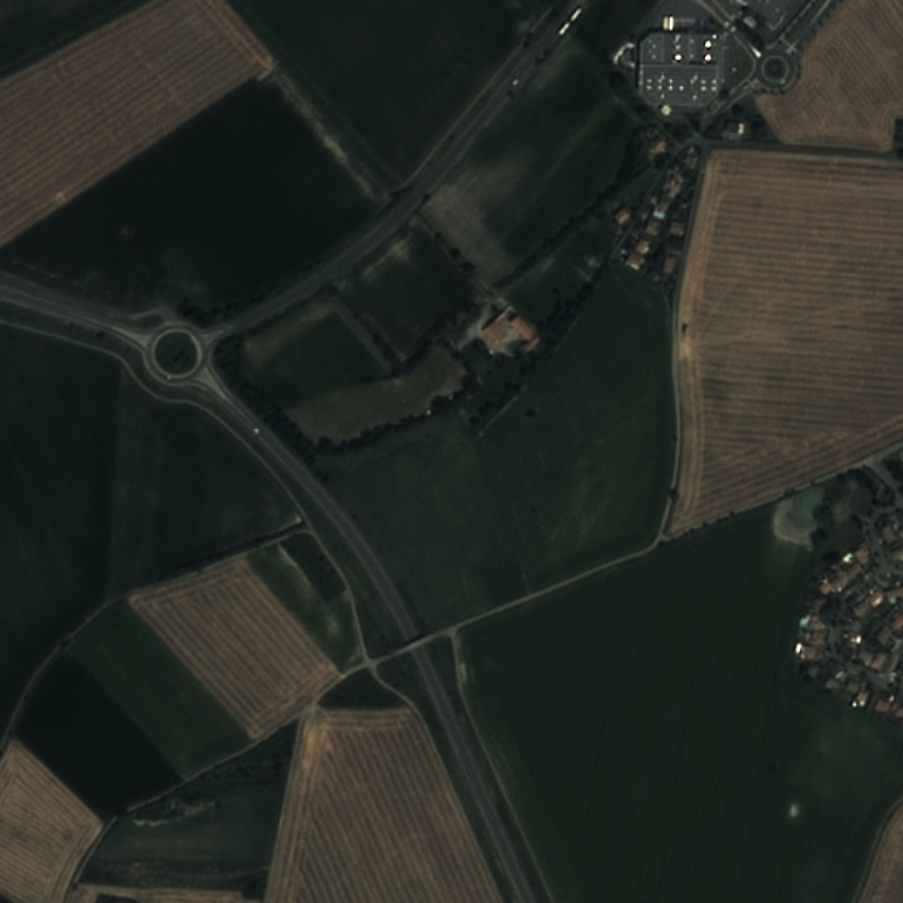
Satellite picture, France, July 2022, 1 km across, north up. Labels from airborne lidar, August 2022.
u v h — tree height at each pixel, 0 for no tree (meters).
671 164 6
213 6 0
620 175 7
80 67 0
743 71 0
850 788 0
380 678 0
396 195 6
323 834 0
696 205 0
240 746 0
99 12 0
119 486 0
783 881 0
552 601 0
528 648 0
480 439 0
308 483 0
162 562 0
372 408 0
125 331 0
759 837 0
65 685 0
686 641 0
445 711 0
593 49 7
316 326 0
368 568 0
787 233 0
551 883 0
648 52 0
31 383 0
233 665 0
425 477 0
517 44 0
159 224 0
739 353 0
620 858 0
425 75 0
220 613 0
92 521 0
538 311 0
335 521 0
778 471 0
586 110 0
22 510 0
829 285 0
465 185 0
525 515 0
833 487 0
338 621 0
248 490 0
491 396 0
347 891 0
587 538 0
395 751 0
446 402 11
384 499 0
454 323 14
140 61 0
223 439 0
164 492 0
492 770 0
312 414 0
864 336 0
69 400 0
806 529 0
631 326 0
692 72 0
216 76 0
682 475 0
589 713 0
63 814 0
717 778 0
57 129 0
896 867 0
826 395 0
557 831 0
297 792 0
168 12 0
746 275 0
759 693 0
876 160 0
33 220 0
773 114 0
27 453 0
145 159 0
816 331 0
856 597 6
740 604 0
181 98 0
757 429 0
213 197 0
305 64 0
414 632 0
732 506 0
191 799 7
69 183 0
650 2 0
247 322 0
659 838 0
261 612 0
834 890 0
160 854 0
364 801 0
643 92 0
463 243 0
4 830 0
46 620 0
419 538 0
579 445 0
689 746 0
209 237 0
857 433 0
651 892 0
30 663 0
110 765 0
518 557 0
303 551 0
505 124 0
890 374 0
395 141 0
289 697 0
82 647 0
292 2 0
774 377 0
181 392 0
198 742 0
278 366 0
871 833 0
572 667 0
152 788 0
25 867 0
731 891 0
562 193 0
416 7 0
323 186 0
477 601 0
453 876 0
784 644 0
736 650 0
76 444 0
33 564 0
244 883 0
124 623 0
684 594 0
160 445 0
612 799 0
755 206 0
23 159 0
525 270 7
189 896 0
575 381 0
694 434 0
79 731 0
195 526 0
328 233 0
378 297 0
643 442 0
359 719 0
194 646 0
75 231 0
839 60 0
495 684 0
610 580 0
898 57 0
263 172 0
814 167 0
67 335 0
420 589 0
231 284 0
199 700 0
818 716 0
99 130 0
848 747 0
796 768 0
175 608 0
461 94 0
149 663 0
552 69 0
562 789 0
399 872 0
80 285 0
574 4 0
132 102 0
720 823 0
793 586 0
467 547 0
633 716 0
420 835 0
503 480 0
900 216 0
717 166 0
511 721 0
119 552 0
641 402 0
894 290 0
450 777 0
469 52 0
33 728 0
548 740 0
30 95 0
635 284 0
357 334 0
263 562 0
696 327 0
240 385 9
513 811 0
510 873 0
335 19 0
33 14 0
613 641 0
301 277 0
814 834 0
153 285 0
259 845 0
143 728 0
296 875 0
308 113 0
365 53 0
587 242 0
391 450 0
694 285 0
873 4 0
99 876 0
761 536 0
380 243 0
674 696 0
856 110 0
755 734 0
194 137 0
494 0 0
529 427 0
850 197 0
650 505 0
